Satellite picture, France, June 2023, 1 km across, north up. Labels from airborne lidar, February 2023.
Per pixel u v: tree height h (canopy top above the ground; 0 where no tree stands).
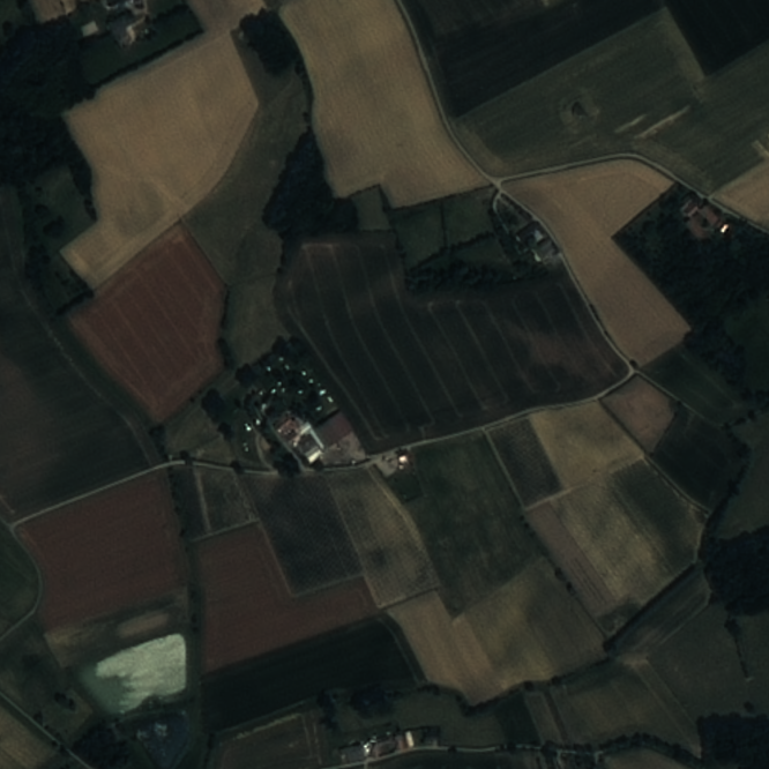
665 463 0
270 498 0
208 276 0
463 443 0
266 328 0
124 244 0
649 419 0
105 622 0
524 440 0
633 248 9
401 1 0
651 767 0
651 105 0
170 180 0
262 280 0
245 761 0
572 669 0
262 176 0
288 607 0
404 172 0
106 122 0
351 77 0
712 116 0
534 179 0
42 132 16
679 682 0
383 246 0
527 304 0
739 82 0
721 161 0
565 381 0
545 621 0
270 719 0
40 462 0
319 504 0
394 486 0
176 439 0
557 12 0
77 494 0
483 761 0
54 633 0
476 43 0
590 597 0
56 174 0
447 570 0
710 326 8
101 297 0
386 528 0
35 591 0
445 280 16
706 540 7
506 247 13
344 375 0
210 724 0
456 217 0
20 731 0
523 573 0
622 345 0
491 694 0
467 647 0
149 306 0
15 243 0
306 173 22
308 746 0
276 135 0
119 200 0
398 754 0
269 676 0
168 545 0
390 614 0
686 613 0
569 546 0
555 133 0
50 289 0
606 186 0
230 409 0
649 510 0
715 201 0
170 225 0
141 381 0
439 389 0
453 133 0
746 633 0
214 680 0
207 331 0
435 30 0
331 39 0
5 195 0
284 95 0
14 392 0
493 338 0
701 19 0
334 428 0
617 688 0
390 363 0
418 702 0
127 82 0
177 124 0
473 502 0
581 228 0
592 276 0
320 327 0
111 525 0
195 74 0
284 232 15
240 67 0
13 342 0
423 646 0
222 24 0
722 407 0
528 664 0
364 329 0
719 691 0
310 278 0
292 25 0
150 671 0
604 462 0
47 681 0
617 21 0
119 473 0
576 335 0
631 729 0
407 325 0
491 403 0
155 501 0
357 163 0
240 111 0
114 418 0
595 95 0
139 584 0
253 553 0
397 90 0
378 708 32
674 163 0
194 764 0
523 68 0
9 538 0
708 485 0
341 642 0
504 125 0
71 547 0
